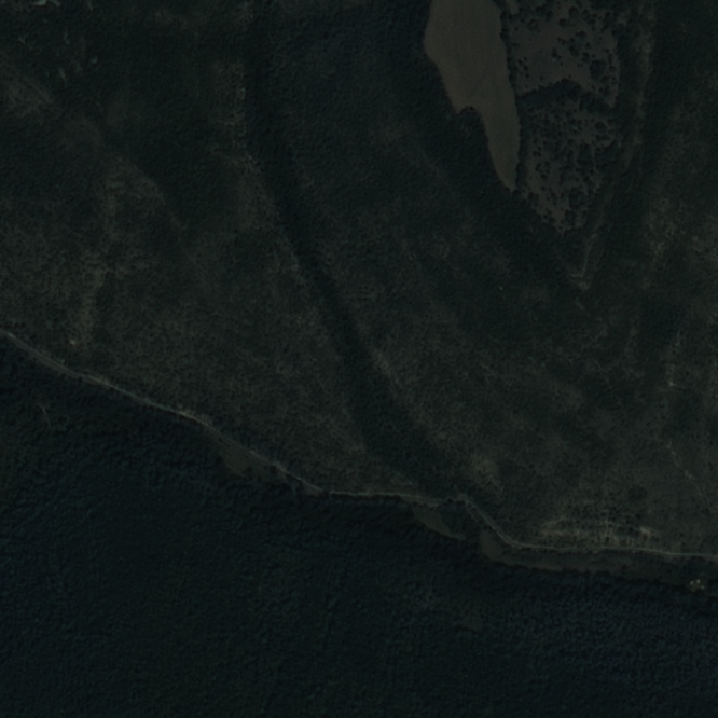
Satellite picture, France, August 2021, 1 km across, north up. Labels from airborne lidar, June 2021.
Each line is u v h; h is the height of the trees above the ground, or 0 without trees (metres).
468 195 7
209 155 7
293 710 10
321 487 10
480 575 12
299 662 13
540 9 8
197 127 9
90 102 7
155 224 6
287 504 17
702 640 13
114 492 8
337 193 7
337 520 15
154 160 6
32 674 7
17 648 9
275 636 12
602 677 8
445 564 8
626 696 9
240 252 6
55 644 7
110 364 6
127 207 5
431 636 11
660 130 7
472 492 11
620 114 11
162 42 10
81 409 14
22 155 8
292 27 6
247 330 5
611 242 9
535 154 6
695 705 9
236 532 12
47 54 7
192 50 7
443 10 0
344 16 6
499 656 12
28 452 10
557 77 0
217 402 6
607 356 6
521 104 7
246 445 11
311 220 7
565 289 8
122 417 5
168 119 6
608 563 0
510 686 11
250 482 23
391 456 9
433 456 11
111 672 11
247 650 10
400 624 8
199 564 14
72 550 8
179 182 8
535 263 8
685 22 6
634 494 7
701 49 8
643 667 8
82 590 9
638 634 9
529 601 8
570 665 9
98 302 7
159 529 10
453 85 0
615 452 7
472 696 13
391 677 10
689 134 6
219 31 8
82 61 7
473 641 8
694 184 6
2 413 9
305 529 8
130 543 10
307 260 6
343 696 9
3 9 7
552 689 9
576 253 6
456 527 11
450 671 12
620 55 6
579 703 8
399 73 7
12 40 7
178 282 5
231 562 10
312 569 7
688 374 6
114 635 9
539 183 0
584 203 7
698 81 7
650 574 0
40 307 6
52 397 8
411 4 9
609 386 6
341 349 5
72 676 9
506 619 5
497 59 0
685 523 0
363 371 7
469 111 8
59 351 6
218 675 8
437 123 7
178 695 11
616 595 16
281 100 6
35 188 7
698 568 21
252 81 9
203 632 10
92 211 6
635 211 6
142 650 10
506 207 6
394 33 7
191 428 15
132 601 10
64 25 6
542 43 0
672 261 8
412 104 6
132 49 11
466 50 0
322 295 6
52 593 8
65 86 7
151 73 7
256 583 8
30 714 5
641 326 7
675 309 9
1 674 9
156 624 11
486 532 10
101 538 7
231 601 10
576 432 6
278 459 13
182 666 12
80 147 5
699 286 6
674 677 10
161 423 12
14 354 15
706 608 16
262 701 7
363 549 7
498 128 0
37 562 9
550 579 15
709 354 6
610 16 9
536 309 6
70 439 10
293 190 11
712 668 9
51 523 7
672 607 18
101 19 11
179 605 10
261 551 8
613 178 5
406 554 10
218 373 6
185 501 9
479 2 0
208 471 15
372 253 9
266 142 13
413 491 6
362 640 11
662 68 9
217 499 11
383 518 22
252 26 10
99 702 7
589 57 10
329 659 11
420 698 10
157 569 14
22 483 12
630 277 7
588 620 8
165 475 7
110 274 6
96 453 8
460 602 8
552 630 7
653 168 6
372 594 10
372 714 7
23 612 7
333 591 7
